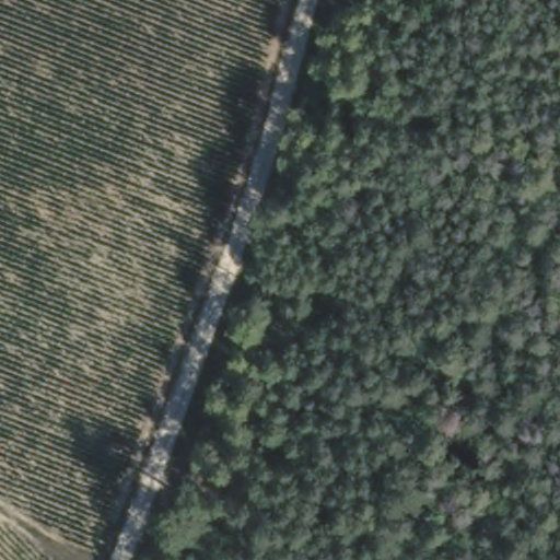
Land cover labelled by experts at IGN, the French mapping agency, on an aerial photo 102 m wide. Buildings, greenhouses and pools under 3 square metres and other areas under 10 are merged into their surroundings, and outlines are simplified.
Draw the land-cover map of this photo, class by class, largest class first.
<instances>
[{"label":"coniferous trees","instance_id":"1","mask_svg":"<svg viewBox=\"0 0 560 560\"><path fill-rule=\"evenodd\" d=\"M295 85L291 94L293 109L287 112V123L282 129L284 158L278 160V168L269 173L265 190L260 193V201H265L263 210L258 214H249L252 232L249 241L243 247V254L236 258V280L223 293V313L214 328V339L208 348V354L201 359L199 376L193 387L186 416L179 422V433L175 435L173 451L168 453L164 486L153 494V503L147 512L140 540L129 545L131 560H560V0H341L333 11L326 13L324 24H317L313 20V24L308 26L300 70L291 79Z\"/></svg>","mask_w":560,"mask_h":560},{"label":"vineyard","instance_id":"2","mask_svg":"<svg viewBox=\"0 0 560 560\"><path fill-rule=\"evenodd\" d=\"M300 0H0V560H112L118 536L129 518L131 503L138 497V490L142 488V481H138L136 477H127L125 470L129 468V462L136 453V444L140 440L162 438L160 429L164 424V413L182 378L184 363L190 357L182 348V343L184 339L193 341V337L197 335V326L212 289L219 260L230 249L225 243L230 241L232 225L238 217V206L243 197L249 193L247 184L243 182V175H252V164L265 131V120L271 109L269 103L258 98V81L267 74L269 68L278 70V63H282V59H278V55H293V48L284 44L289 42L291 24L295 22Z\"/></svg>","mask_w":560,"mask_h":560},{"label":"pervious surface","instance_id":"3","mask_svg":"<svg viewBox=\"0 0 560 560\"><path fill-rule=\"evenodd\" d=\"M341 0H300L295 22L291 24L289 42L284 44L293 48V55H278V59H282V63H278V70L269 68L267 74L258 81V98L269 103L271 109L265 120V131L252 164V175H243V182L247 184L249 193L243 197L238 206V217L232 225L230 241L225 243L230 249L219 260L212 289L197 326V335L193 337V341L184 339L182 343V348L190 357L184 363L182 378L164 413V424L160 429L162 438L140 440L136 444V453L129 462V468L125 470L127 477H136L138 481H142V488L138 490V497L131 503L129 518L118 536L112 560H131L129 545L140 540L147 512L153 503V494L164 486L168 453L173 451L175 435L179 433V422L186 416L193 387L199 376L201 359L208 354V348L214 339V328L223 313V293L236 280V258L243 254V247L249 241L252 232L249 214H258L263 210L265 201H260V193L265 190L269 173L278 168V160L284 158L282 129L287 123V112L293 109L291 94L295 85L291 79L300 70L308 26L313 24V20L317 24H324L326 13L333 11Z\"/></svg>","mask_w":560,"mask_h":560}]
</instances>
